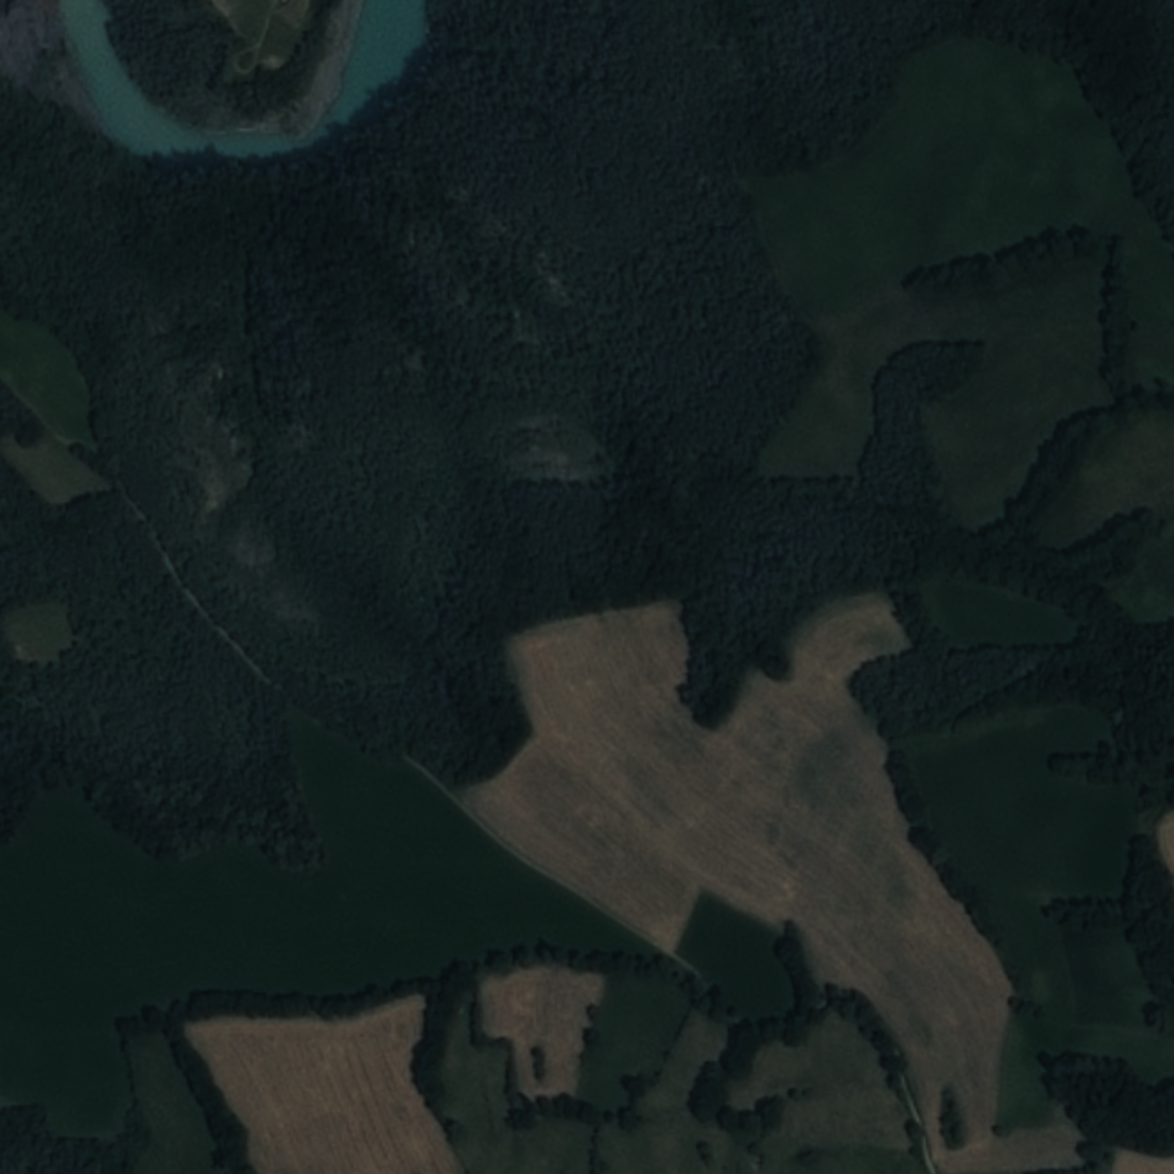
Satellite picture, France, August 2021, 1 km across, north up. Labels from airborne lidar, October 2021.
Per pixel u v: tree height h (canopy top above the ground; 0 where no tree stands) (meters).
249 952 0
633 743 0
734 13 13
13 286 10
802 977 18
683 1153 0
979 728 0
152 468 11
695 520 19
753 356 16
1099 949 0
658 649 0
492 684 17
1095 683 18
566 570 14
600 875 0
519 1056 0
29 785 19
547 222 15
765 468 0
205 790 14
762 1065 0
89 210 10
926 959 0
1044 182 0
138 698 8
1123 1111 21
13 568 10
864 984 0
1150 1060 0
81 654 10
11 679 17
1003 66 0
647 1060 0
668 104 9
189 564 12
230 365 8
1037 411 0
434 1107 11
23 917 0
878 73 13
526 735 11
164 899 0
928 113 0
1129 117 19
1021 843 0
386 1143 0
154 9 8
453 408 11
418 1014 0
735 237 17
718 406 16
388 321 12
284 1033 0
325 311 17
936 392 13
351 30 0
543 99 8
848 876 0
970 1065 0
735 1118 15
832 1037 0
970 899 14
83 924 0
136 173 8
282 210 18
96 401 8
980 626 0
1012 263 21
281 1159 0
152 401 11
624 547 18
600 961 13
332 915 0
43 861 0
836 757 0
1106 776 17
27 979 0
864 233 0
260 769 9
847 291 0
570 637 0
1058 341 0
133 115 0
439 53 15
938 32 17
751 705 0
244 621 6
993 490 0
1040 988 0
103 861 0
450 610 12
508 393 9
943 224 0
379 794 0
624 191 11
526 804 0
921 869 0
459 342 10
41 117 13
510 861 0
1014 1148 0
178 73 7
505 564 15
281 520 9
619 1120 6
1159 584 0
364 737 15
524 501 14
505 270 12
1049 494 18
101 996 0
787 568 13
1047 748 0
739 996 0
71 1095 0
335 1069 0
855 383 0
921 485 13
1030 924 0
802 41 6
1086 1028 0
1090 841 0
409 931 0
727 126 15
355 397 12
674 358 13
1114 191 0
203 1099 16
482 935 0
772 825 0
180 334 12
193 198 17
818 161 14
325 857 10
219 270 7
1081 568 19
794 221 0
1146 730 21
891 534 16
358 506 8
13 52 0
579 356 9
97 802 20
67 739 12
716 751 0
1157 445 0
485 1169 0
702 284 16
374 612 10
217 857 0
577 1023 0
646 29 16
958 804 0
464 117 12
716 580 9
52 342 0
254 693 12
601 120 12
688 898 0
